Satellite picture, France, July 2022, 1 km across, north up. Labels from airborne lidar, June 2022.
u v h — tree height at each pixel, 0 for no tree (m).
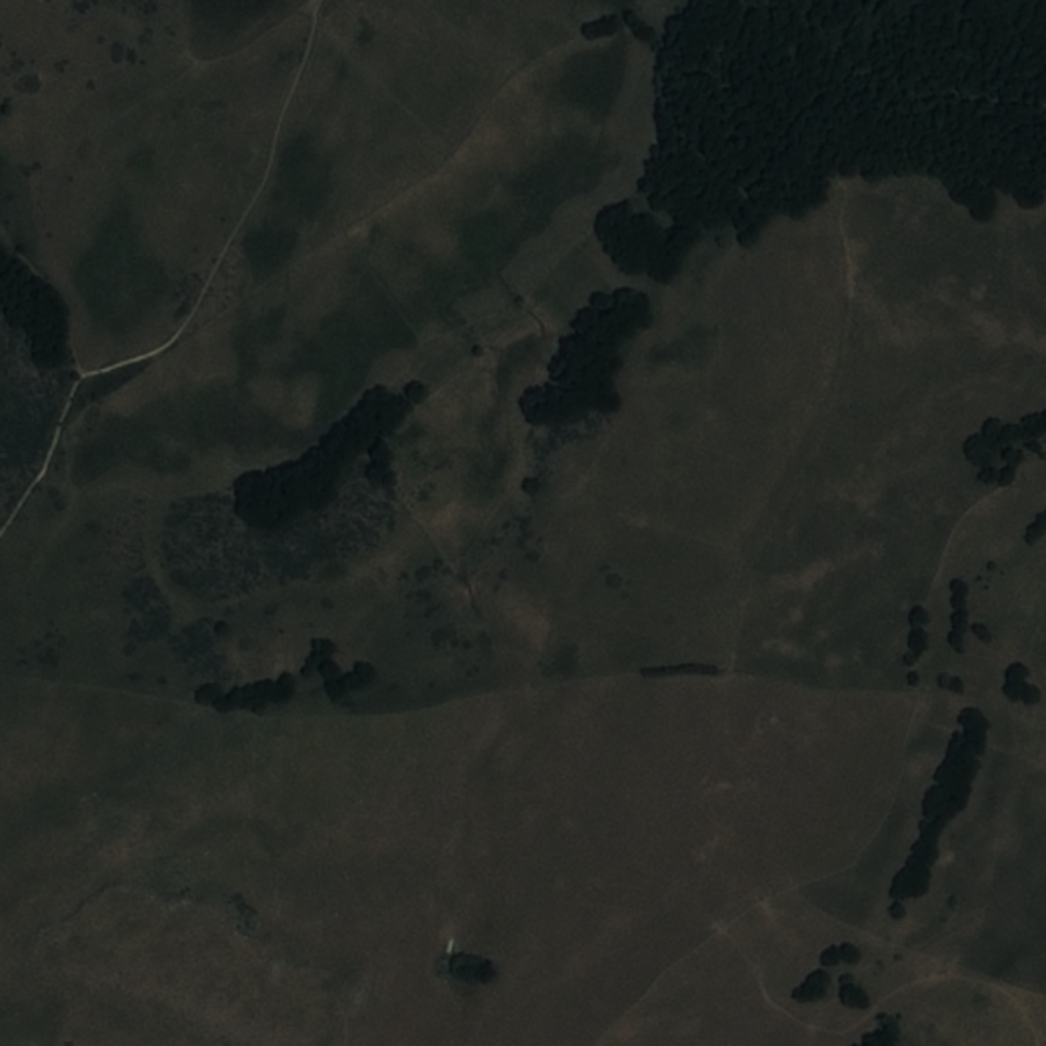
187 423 0
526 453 0
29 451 0
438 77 0
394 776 0
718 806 0
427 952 0
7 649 0
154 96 0
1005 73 14
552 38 0
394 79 0
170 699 0
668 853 0
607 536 0
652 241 14
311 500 17
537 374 0
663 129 13
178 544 0
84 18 0
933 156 14
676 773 0
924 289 0
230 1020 0
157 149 0
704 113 18
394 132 0
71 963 0
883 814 0
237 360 0
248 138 0
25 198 0
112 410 0
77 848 0
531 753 0
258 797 0
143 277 0
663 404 0
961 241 0
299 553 0
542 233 0
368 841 0
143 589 0
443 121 0
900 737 0
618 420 0
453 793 0
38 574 0
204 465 0
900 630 0
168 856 0
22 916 0
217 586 0
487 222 0
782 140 15
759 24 13
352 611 0
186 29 0
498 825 0
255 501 19
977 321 0
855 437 0
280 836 0
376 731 0
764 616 0
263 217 0
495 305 0
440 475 0
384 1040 0
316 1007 0
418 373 0
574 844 0
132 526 0
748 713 0
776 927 0
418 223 0
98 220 0
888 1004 0
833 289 0
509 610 0
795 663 0
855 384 0
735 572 0
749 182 8
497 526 0
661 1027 0
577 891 0
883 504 0
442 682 0
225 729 0
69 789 0
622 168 0
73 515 0
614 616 0
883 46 13
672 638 0
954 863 0
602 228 12
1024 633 0
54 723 0
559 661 0
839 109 14
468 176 0
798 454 0
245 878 0
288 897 0
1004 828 0
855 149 7
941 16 7
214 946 0
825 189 11
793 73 15
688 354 0
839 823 0
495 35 0
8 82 0
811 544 0
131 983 0
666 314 0
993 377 0
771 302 0
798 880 0
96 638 0
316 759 0
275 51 0
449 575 0
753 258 0
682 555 0
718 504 0
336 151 0
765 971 0
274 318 0
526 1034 0
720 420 0
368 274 0
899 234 0
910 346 0
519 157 0
